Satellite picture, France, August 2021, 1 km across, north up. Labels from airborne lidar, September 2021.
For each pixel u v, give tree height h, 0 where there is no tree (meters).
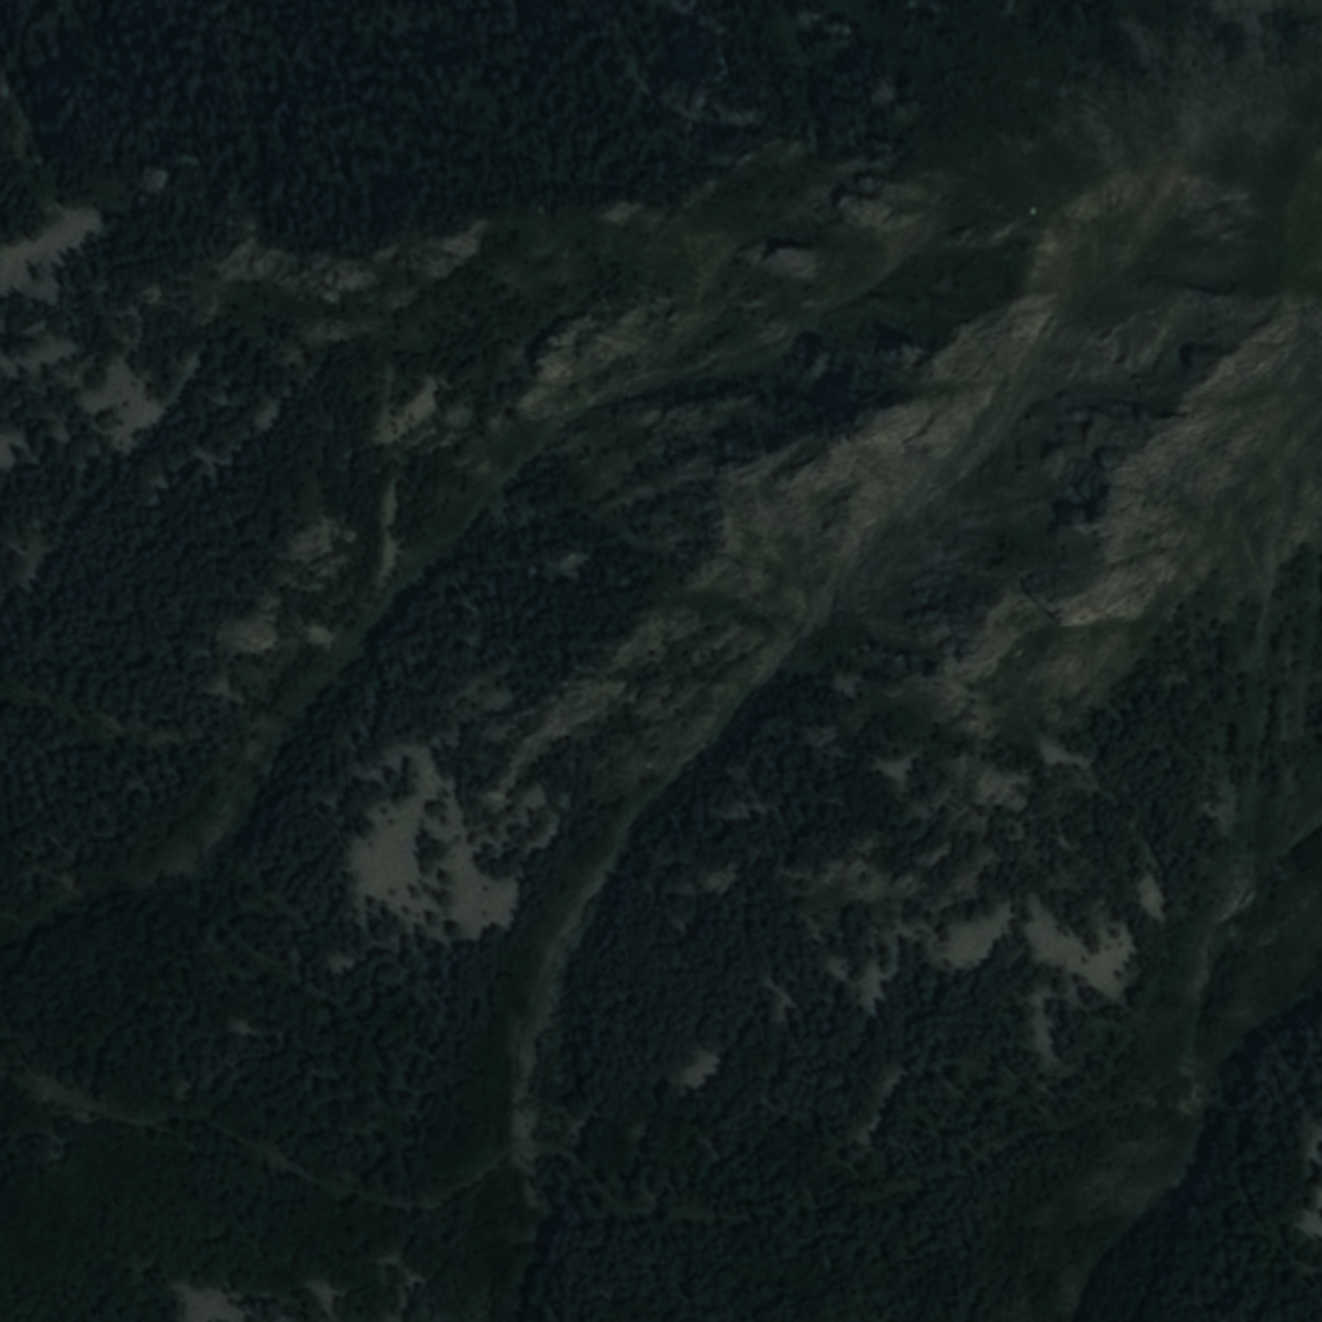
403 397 8
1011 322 0
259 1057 11
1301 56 0
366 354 10
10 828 7
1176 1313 26
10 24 17
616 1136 20
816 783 7
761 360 0
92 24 7
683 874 16
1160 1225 8
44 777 20
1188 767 22
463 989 21
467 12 20
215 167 9
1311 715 7
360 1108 16
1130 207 0
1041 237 0
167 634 15
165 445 20
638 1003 22
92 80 15
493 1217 10
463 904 0
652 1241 21
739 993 30
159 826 20
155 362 10
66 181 11
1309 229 0
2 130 9
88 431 15
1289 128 0
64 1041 8
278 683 7
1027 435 0
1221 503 0
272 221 9
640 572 12
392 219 7
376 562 9
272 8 13
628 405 0
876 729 9
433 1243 14
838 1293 19
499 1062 12
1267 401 0
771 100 6
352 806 18
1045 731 9
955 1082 26
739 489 0
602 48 9
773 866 18
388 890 0
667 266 0
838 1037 25
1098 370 0
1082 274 0
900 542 0
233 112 20
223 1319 0
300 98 12
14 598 16
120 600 24
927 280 0
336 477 12
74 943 12
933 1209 24
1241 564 0
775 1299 10
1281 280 0
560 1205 27
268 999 10
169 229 13
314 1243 22
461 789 13
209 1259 17
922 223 0
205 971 16
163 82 9
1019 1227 8
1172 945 10
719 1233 9
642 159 9
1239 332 0
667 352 0
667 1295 25
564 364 0
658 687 11
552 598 12
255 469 12
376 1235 15
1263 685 6
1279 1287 17
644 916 21
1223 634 15
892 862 8
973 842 12
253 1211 18
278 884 25
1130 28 0
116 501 18
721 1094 24
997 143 0
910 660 11
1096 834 9
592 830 20
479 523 8
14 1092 11
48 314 10
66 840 18
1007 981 16
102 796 8
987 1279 10
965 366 0
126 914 14
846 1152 6
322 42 11
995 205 0
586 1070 23
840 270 0
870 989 0
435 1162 15
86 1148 17
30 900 18
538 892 23
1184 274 0
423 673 15
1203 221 0
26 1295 18
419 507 8
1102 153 0
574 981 11
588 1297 21
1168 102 0
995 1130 26
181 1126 20
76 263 12
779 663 0
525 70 6
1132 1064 7
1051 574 0
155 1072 19
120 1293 17
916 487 0
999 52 0
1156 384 0
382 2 14
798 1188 19
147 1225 18
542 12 5
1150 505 0
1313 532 0
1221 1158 20
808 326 0
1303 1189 13
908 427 0
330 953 14
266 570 15
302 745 12
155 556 21
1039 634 0
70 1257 15
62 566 24
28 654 21
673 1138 18
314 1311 16
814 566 0
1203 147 0
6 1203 17
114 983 9
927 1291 14
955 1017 25
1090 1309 8
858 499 0
